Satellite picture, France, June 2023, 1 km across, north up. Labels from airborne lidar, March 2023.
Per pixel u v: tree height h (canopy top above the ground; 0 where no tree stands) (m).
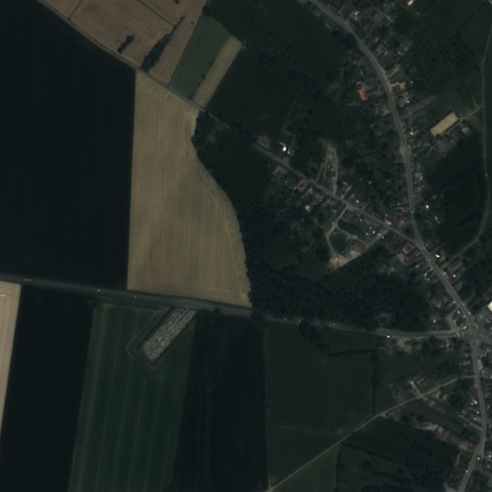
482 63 0
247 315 0
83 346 0
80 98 0
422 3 0
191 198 0
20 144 0
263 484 0
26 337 0
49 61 0
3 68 0
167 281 0
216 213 0
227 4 0
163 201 0
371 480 0
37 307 0
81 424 0
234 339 0
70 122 0
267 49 0
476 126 0
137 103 0
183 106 0
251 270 25
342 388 0
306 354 0
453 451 0
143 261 0
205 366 0
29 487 0
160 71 0
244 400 0
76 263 0
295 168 7
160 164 0
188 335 0
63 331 0
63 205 0
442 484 14
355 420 0
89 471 0
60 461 0
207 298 0
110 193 0
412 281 12
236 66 0
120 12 0
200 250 0
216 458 0
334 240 0
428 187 0
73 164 0
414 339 0
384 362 0
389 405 0
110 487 0
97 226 0
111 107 0
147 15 0
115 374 0
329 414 0
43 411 0
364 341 0
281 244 0
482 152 0
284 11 0
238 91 0
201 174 0
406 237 0
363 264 6
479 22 0
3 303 0
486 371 0
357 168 7
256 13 0
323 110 0
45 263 0
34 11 0
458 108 0
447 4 0
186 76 0
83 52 0
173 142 0
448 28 0
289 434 0
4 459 0
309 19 0
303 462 0
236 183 0
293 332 0
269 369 0
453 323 0
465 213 0
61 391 0
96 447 0
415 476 28
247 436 0
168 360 0
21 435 0
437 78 0
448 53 7
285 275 19
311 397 0
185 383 0
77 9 0
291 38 0
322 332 0
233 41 0
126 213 0
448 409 0
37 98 0
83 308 0
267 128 0
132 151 0
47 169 0
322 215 7
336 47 0
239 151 0
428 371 0
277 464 0
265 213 15
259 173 0
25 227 0
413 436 0
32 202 0
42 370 0
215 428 0
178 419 0
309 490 0
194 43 0
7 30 0
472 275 0
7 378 0
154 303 0
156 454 0
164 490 0
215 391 0
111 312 0
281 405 0
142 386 0
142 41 0
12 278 0
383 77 0
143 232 0
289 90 0
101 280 0
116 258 0
